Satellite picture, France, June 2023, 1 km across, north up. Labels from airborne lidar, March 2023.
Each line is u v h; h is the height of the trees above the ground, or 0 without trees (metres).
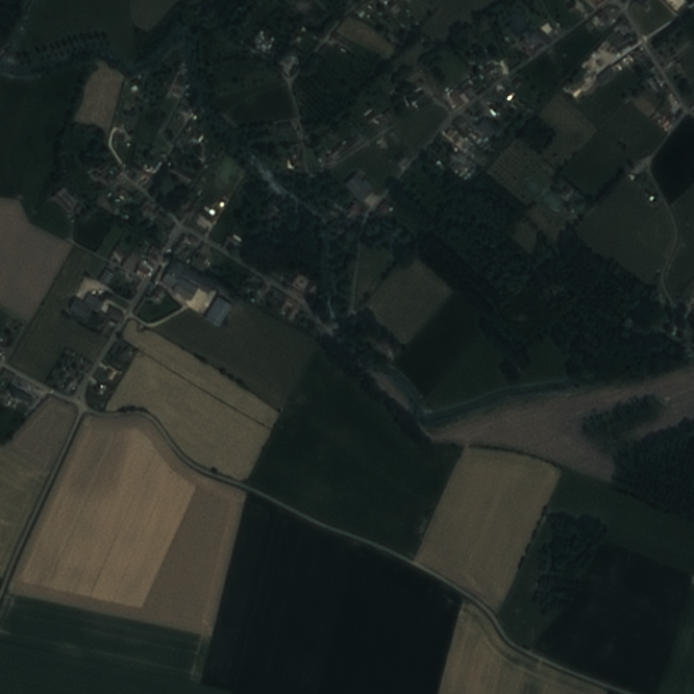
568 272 9
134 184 0
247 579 0
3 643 0
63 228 0
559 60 0
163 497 0
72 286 0
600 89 0
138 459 0
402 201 33
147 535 0
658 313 20
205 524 0
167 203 13
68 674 0
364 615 0
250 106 0
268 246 38
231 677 0
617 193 0
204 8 19
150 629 0
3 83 0
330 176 16
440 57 11
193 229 0
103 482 0
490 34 0
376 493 0
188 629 0
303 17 14
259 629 0
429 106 0
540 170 0
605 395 0
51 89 0
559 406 0
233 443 0
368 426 0
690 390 0
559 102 0
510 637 0
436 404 0
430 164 12
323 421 0
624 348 17
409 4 0
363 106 0
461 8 0
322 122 11
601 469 0
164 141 0
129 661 0
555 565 14
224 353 0
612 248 0
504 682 0
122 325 0
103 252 0
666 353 27
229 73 0
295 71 7
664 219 0
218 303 0
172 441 0
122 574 0
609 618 0
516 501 0
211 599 0
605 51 0
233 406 0
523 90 0
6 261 0
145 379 0
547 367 0
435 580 0
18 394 0
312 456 0
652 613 0
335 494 0
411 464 0
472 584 0
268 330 0
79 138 0
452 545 0
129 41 0
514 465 0
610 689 0
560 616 0
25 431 0
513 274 22
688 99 0
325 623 0
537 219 0
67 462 0
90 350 0
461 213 17
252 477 0
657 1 0
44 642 0
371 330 21
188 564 0
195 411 0
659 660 0
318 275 19
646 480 18
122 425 0
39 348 0
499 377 0
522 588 0
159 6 0
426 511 0
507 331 14
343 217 9
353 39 0
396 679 0
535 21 0
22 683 0
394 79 14
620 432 25
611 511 0
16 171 0
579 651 0
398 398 0
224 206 0
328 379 0
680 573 0
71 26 0
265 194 17
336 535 0
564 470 0
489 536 0
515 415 0
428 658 0
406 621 0
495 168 0
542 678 0
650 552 0
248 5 18
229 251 16
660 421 0
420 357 0
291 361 0
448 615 0
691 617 0
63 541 0
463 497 0
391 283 0
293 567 0
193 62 7
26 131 0
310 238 39
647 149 0
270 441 0
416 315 0
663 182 0
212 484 0
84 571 0
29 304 0
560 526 15
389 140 0
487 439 0
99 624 0
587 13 0
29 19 0
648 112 0
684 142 0
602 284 8
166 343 0
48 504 0
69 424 0
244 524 0
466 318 0
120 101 0
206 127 0
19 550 0
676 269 0
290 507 0
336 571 0
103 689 0
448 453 0
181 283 0
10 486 0
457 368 0
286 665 0
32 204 0
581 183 0
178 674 0
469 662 0
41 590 0
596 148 0
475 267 10
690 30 0
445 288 0
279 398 0
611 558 0
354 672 0
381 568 0
